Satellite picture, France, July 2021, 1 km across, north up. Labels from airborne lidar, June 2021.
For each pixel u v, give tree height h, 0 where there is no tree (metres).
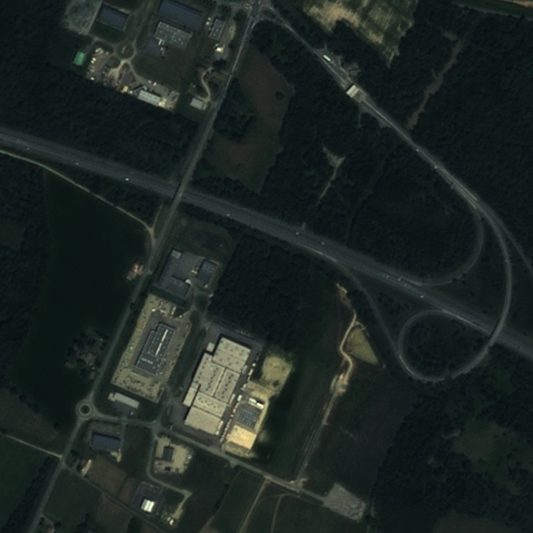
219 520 0
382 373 0
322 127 23
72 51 0
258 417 0
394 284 0
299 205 18
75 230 0
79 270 0
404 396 0
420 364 11
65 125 16
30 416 0
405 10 0
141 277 0
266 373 0
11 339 19
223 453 0
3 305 19
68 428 0
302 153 19
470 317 0
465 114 20
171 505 0
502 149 12
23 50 15
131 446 0
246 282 22
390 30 0
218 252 0
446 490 23
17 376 0
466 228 10
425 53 21
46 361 0
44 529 11
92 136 13
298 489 0
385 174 9
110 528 0
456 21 17
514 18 10
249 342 0
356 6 0
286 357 0
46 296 0
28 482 0
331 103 17
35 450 0
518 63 12
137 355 0
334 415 0
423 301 0
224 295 21
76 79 25
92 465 0
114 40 0
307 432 0
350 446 0
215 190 12
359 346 0
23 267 18
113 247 0
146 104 11
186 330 0
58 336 0
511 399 10
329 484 0
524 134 22
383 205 13
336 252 0
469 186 6
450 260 11
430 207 12
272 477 0
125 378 0
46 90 23
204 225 0
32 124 12
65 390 0
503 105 17
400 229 12
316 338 0
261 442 0
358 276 0
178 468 0
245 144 0
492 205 7
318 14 0
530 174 9
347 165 10
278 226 0
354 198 15
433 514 8
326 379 0
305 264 22
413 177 13
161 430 0
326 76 9
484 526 0
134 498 0
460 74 15
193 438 0
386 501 8
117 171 0
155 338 0
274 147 0
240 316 22
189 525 0
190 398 0
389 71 18
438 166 0
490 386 9
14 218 7
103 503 0
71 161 0
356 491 0
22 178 20
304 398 0
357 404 0
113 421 0
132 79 0
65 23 0
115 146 17
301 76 14
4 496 0
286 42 13
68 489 0
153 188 0
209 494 0
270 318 24
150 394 0
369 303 10
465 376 8
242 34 0
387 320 0
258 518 0
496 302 0
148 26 0
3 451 0
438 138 6
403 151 16
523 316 0
